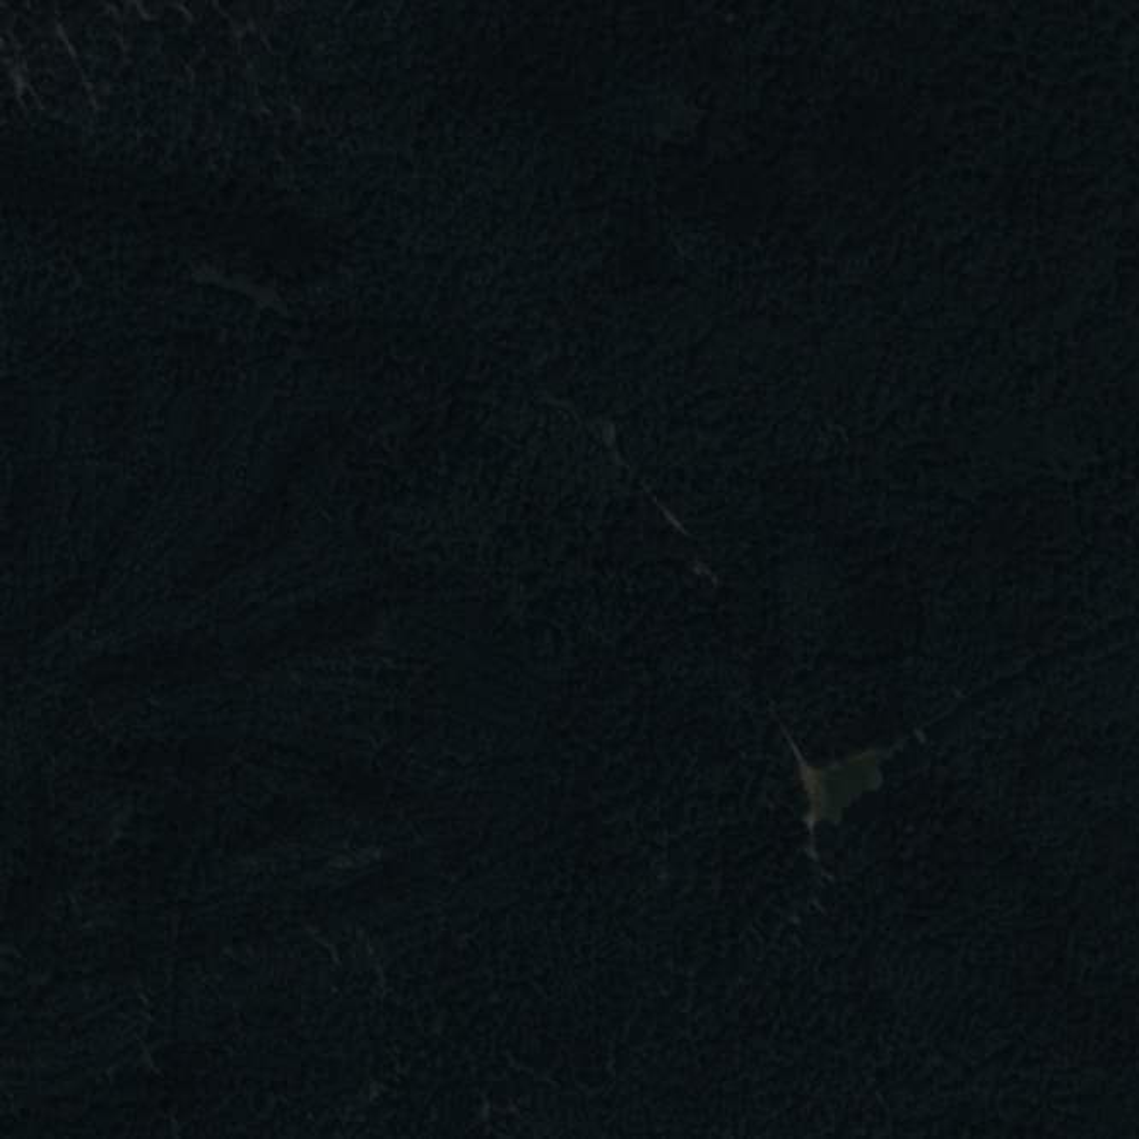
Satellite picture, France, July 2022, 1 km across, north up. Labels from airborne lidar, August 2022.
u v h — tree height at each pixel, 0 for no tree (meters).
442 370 18
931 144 21
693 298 25
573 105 25
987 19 16
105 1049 21
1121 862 23
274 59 24
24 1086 22
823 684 23
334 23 26
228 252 19
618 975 17
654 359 23
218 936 18
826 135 25
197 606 16
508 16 22
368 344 20
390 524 29
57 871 21
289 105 23
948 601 23
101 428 23
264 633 19
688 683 14
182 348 25
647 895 24
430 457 13
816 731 25
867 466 19
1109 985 27
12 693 26
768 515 15
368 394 23
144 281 21
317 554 25
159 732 21
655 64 17
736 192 22
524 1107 24
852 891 10
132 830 19
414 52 22
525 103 30
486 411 31
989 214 11
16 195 10
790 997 31
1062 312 24
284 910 21
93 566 22
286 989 22
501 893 25
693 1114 28
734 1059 32
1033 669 16
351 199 24
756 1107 34
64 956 11
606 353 28
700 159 21
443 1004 10
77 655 21
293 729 20
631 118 29
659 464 23
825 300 21
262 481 24
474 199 29
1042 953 21
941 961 31
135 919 26
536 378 31
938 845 26
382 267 24
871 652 6
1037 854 16
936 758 21
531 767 15
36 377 24
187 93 28
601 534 18
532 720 15
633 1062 36
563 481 32
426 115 20
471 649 18
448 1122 19
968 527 23
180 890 16
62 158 13
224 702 22
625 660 23
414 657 15
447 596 16
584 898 22
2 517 23
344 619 19
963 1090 31
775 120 21
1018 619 27
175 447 22
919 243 14
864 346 26
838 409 8
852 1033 30
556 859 14
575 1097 10
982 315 21
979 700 25
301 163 23
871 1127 40
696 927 22
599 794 18
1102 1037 18
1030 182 17
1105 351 23
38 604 26
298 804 20
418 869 17
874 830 29
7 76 18
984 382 23
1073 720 18
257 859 24
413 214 30
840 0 20
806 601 31
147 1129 17
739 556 7
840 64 21
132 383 19
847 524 24
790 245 16
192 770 19
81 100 25
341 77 19
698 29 22
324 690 20
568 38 22
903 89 22
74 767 22
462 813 17
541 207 22
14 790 19
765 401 31
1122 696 27
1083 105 20
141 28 14
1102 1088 21
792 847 27
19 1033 21
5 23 23
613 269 22
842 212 22
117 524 20
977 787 25
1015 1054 27
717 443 18
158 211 12
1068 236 30
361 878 22
